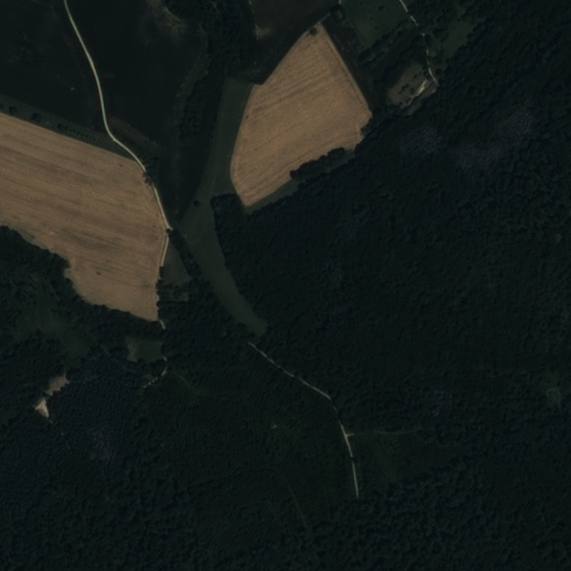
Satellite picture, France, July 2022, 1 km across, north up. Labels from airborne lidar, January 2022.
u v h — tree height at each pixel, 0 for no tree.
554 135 26
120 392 23
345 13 17
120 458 19
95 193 0
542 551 29
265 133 0
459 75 15
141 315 0
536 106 29
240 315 0
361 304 23
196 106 9
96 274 0
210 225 0
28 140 0
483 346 23
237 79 0
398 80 17
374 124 9
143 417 17
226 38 18
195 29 0
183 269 0
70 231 0
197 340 17
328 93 0
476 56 22
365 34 0
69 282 15
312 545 31
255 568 20
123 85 0
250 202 0
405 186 28
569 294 10
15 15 0
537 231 19
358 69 0
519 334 13
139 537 27
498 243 18
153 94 0
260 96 0
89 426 20
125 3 0
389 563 28
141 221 0
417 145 20
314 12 0
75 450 17
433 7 15
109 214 0
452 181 26
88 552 18
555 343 18
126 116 0
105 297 0
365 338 21
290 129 0
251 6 0
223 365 9
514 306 21
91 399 18
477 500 28
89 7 0
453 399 15
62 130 10
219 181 0
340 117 0
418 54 18
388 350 23
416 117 14
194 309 12
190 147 0
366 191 20
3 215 0
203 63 0
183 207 0
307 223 23
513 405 15
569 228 21
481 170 20
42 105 0
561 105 27
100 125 0
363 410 24
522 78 25
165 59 0
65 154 0
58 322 0
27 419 15
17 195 0
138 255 0
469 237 21
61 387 0
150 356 0
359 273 19
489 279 21
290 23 0
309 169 17
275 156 0
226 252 16
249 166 0
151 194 0
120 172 0
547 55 29
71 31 0
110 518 27
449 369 16
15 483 16
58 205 0
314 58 0
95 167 0
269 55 0
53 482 23
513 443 24
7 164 0
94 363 19
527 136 21
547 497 14
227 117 0
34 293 20
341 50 0
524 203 19
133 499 28
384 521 30
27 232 0
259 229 27
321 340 25
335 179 19
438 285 24
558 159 24
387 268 29
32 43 0
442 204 23
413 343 24
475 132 22
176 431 23
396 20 0
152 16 0
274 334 16
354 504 16
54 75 0
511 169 27
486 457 23
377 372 24
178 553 12
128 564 14
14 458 18
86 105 0
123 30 0
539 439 26
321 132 0
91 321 22
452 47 0
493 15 13
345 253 23
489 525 29
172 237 11
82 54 0
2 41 0
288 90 0
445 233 24
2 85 0
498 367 22
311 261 22
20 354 13
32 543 29
